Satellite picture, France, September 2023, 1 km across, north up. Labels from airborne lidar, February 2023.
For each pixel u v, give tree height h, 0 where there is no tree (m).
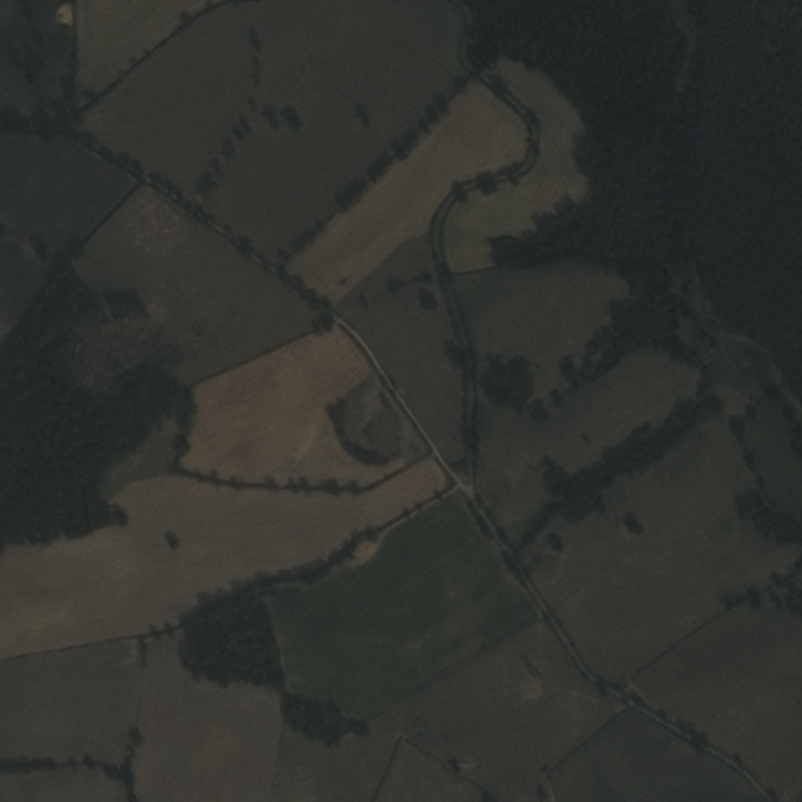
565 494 12
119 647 0
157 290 0
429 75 0
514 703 0
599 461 0
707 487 0
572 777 0
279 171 0
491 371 12
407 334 0
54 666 0
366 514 0
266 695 0
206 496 0
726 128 15
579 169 17
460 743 0
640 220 16
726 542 0
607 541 0
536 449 0
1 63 0
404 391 0
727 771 0
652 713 0
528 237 14
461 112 0
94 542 0
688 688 0
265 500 0
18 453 21
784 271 19
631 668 0
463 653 0
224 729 0
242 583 0
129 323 0
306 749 0
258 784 0
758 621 0
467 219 0
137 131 0
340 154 0
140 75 0
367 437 0
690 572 0
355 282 0
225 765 0
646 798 0
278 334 0
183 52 0
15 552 0
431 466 0
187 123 0
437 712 0
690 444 0
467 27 0
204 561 0
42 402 24
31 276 0
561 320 0
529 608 0
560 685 0
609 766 0
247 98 0
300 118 14
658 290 24
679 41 13
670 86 22
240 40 0
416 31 0
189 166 0
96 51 0
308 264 0
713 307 18
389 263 0
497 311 0
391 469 0
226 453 0
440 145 0
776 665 0
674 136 17
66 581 0
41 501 27
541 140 0
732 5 22
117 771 11
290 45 0
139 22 0
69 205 0
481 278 0
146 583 0
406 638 0
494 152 0
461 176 0
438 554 0
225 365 0
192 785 0
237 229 0
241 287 0
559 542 15
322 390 0
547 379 0
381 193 0
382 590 0
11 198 0
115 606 0
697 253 26
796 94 21
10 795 0
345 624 0
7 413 22
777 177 20
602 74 5
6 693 0
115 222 0
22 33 0
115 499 0
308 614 0
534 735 0
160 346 0
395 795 0
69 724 0
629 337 22
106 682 0
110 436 20
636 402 0
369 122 14
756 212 18
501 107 0
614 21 7
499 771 0
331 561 8
